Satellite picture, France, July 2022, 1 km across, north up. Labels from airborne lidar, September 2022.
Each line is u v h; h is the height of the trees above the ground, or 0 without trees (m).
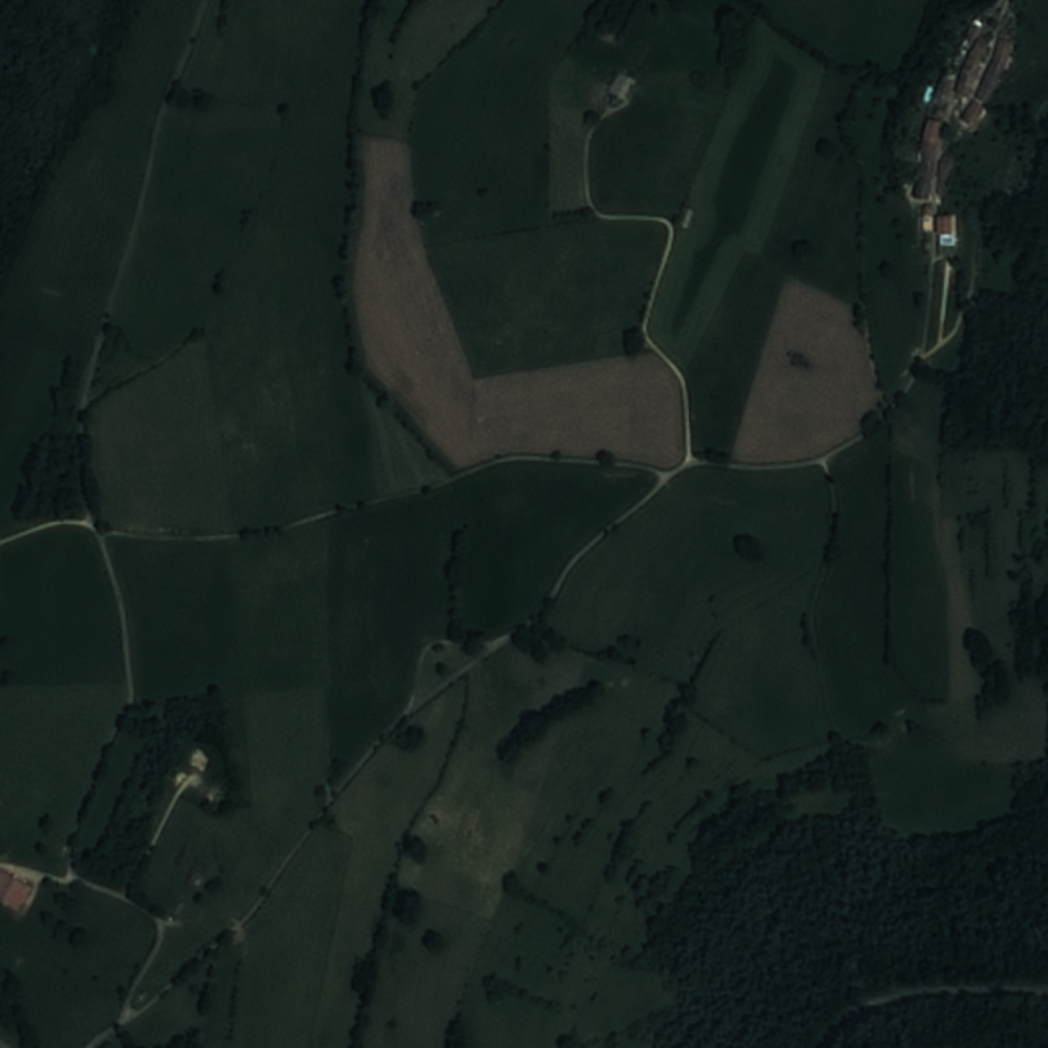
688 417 0
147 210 0
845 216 0
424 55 0
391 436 0
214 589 0
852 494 0
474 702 0
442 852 0
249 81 0
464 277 0
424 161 0
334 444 0
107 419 0
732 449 0
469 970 0
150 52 0
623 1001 0
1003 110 7
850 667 0
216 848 0
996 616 0
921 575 0
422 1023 0
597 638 0
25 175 9
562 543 0
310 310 0
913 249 0
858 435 0
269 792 0
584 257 0
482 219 0
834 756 14
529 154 0
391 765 0
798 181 0
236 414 0
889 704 0
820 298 0
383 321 0
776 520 0
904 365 0
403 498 0
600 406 0
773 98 0
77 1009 0
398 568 0
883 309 0
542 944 0
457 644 14
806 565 0
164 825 0
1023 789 6
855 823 15
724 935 17
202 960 6
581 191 0
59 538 0
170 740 11
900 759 0
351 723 0
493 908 0
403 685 0
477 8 0
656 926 14
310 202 0
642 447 0
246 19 0
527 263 0
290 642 0
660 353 0
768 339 0
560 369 0
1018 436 16
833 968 26
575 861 0
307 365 0
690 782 0
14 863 0
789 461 0
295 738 0
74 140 14
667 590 0
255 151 0
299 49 0
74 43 6
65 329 0
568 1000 0
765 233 0
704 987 8
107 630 0
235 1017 6
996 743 0
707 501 0
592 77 0
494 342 0
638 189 0
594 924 0
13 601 0
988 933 20
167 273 0
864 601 0
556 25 0
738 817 14
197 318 0
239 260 0
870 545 0
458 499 0
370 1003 16
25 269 0
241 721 0
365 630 0
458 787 0
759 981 13
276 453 0
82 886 13
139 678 0
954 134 10
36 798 0
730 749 0
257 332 0
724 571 0
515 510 0
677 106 0
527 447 0
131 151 0
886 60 0
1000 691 12
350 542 0
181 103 16
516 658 0
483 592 0
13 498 0
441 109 0
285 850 0
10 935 0
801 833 14
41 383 0
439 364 0
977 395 12
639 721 0
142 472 0
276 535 7
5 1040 0
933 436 0
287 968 0
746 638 0
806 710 0
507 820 0
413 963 0
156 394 0
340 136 0
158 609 0
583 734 0
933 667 0
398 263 0
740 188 0
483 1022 0
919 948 25
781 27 8
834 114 0
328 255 0
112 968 0
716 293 0
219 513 0
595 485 0
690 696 17
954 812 0
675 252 0
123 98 0
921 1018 10
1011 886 29
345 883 0
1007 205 15
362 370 18
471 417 0
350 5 0
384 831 0
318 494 0
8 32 10
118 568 0
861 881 18
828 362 0
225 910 0
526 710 0
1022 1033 10
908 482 0
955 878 12
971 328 15
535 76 0
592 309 0
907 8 0
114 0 12
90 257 0
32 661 0
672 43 0
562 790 0
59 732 0
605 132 0
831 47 0
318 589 0
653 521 0
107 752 13
